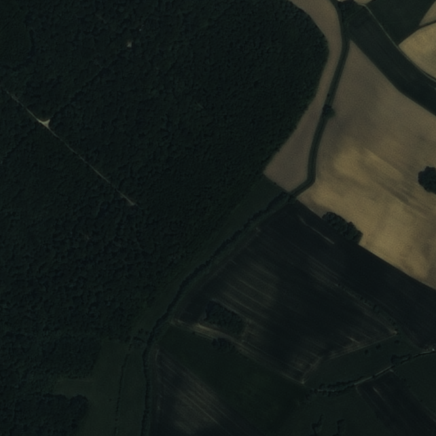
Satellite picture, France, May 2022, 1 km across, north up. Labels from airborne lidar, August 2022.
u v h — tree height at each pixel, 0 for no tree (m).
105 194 26
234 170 17
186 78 22
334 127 0
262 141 16
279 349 0
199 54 25
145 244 27
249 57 22
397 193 0
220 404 0
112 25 26
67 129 24
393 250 0
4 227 22
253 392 0
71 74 27
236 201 11
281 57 23
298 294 0
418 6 0
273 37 24
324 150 0
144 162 22
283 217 0
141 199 22
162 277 22
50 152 19
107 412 0
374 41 0
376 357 0
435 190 7
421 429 0
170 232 19
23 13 6
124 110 28
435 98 0
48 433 26
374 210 0
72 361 27
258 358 0
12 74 25
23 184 20
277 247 0
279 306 0
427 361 0
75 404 26
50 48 25
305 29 19
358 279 0
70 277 21
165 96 23
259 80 24
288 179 0
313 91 16
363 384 0
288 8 14
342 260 0
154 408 0
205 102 24
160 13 23
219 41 26
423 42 0
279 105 21
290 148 0
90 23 26
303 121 0
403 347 0
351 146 0
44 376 21
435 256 0
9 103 27
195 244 10
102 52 28
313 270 0
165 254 27
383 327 0
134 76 23
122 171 24
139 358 0
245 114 22
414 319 0
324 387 11
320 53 23
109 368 0
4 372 29
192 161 17
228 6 19
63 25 24
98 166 26
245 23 24
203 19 25
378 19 6
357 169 0
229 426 0
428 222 0
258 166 13
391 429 0
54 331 21
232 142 18
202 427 0
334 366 0
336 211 0
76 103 24
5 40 6
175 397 0
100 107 23
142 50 20
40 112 15
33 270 25
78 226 28
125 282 25
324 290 0
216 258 14
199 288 0
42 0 26
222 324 22
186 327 0
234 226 0
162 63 20
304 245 0
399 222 0
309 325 0
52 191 21
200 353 0
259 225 0
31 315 23
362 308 0
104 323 26
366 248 0
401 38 0
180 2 26
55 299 23
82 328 26
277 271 0
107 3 26
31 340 22
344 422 7
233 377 0
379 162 0
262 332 0
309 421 0
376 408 0
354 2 22
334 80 0
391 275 0
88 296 27
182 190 19
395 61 0
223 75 21
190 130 22
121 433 0
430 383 0
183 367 0
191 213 20
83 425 0
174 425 0
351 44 0
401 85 0
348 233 25
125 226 26
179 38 24
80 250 27
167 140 24
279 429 0
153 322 0
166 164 21
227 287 0
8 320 24
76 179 20
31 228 24
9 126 22
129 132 24
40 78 27
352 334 0
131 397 0
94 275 24
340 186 0
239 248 0
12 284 25
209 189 21
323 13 0
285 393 0
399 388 0
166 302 0
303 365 0
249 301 0
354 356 0
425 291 0
